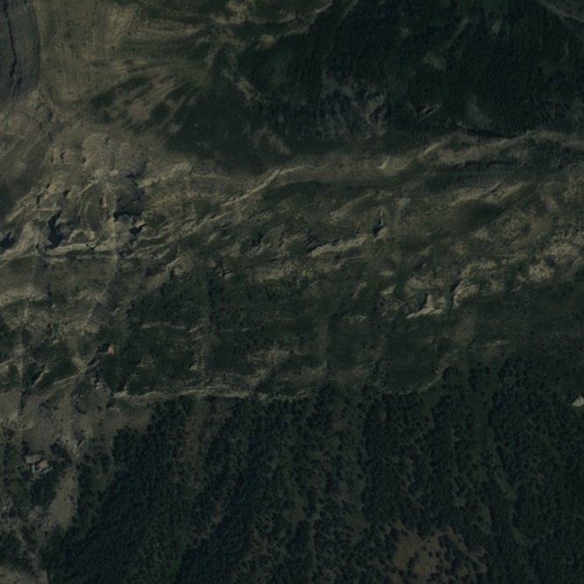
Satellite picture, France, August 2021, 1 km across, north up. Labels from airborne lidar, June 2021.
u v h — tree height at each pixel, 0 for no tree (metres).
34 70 0
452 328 0
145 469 28
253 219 0
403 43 6
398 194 0
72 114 0
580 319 10
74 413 0
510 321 0
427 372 0
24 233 0
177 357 0
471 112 0
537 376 9
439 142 0
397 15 7
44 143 0
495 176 0
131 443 28
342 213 0
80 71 0
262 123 0
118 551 26
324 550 12
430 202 0
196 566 26
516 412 24
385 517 24
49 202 0
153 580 17
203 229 0
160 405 23
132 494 31
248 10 0
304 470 15
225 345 8
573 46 6
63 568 20
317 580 15
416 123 7
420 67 5
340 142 0
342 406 0
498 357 0
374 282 0
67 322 0
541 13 6
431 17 7
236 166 0
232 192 0
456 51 8
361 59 9
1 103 0
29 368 0
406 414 27
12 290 0
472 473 24
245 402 20
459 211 0
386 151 0
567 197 0
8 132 0
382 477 21
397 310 0
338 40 6
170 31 0
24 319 0
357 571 14
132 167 0
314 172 0
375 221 0
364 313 8
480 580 22
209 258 0
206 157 0
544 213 0
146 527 19
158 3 0
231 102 0
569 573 28
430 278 0
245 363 0
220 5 0
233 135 0
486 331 0
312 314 0
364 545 17
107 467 20
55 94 0
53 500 13
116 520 28
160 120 0
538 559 25
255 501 18
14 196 0
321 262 0
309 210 0
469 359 0
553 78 6
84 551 32
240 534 17
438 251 0
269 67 0
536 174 0
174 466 16
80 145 0
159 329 0
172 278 11
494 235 0
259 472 21
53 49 0
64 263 0
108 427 0
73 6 0
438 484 26
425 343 0
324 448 23
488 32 8
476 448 18
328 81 0
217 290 7
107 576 27
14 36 0
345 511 13
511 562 34
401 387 0
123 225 0
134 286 0
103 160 0
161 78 0
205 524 9
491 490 27
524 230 0
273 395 9
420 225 0
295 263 0
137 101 0
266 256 0
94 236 0
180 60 0
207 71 0
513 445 25
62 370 0
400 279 0
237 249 0
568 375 6
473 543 25
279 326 0
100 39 0
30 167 0
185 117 0
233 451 13
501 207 0
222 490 21
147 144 0
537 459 24
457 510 23
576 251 0
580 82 10
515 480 19
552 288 0
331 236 0
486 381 20
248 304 0
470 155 0
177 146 0
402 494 21
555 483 25
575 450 25
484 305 0
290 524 18
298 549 17
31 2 0
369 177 0
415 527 24
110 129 0
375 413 22
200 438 11
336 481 15
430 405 0
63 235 0
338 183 0
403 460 18
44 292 0
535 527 32
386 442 20
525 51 6
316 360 0
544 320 0
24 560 9
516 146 0
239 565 9
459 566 23
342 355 0
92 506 12
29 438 0
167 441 20
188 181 0
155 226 0
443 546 9
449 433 27
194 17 0
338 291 0
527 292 0
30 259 0
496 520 27
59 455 19
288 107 7
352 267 0
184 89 0
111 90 0
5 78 0
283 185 0
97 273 0
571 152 11
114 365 0
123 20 0
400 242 0
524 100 6
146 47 0
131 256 18
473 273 0
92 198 0
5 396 0
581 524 20
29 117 0
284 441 25
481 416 0
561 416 18
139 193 0
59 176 0
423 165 0
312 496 24
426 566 0
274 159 0
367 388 18
